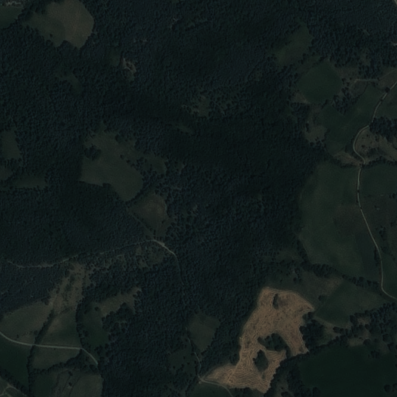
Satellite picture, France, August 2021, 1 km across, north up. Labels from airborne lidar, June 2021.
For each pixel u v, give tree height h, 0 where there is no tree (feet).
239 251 72
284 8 66
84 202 49
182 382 29
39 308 0
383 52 86
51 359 0
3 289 37
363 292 0
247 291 26
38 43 53
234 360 31
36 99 64
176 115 52
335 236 0
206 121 56
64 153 41
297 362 47
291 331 0
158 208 0
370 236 0
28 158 60
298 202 28
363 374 0
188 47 51
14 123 51
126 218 35
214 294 57
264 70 34
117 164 0
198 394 0
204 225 47
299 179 55
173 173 52
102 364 44
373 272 0
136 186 0
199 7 20
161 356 30
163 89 55
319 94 0
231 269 51
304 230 0
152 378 43
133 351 52
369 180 0
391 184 0
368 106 0
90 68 56
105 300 36
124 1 52
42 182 0
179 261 28
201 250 55
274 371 0
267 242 50
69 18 0
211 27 56
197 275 47
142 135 34
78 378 0
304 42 0
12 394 0
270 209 29
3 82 44
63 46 43
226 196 49
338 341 51
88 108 55
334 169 0
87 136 55
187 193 61
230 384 0
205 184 44
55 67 59
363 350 0
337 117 0
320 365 0
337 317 0
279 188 71
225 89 33
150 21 60
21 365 0
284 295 0
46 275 39
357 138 0
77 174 66
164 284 55
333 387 0
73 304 0
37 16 0
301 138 44
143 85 55
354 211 0
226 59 52
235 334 40
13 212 64
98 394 0
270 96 49
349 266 0
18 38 36
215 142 60
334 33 84
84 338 32
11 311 24
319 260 0
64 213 60
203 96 33
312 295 0
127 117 57
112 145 0
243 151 63
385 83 0
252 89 42
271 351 0
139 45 30
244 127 60
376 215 0
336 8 43
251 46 46
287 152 56
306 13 48
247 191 43
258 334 0
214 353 41
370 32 38
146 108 59
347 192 0
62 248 31
